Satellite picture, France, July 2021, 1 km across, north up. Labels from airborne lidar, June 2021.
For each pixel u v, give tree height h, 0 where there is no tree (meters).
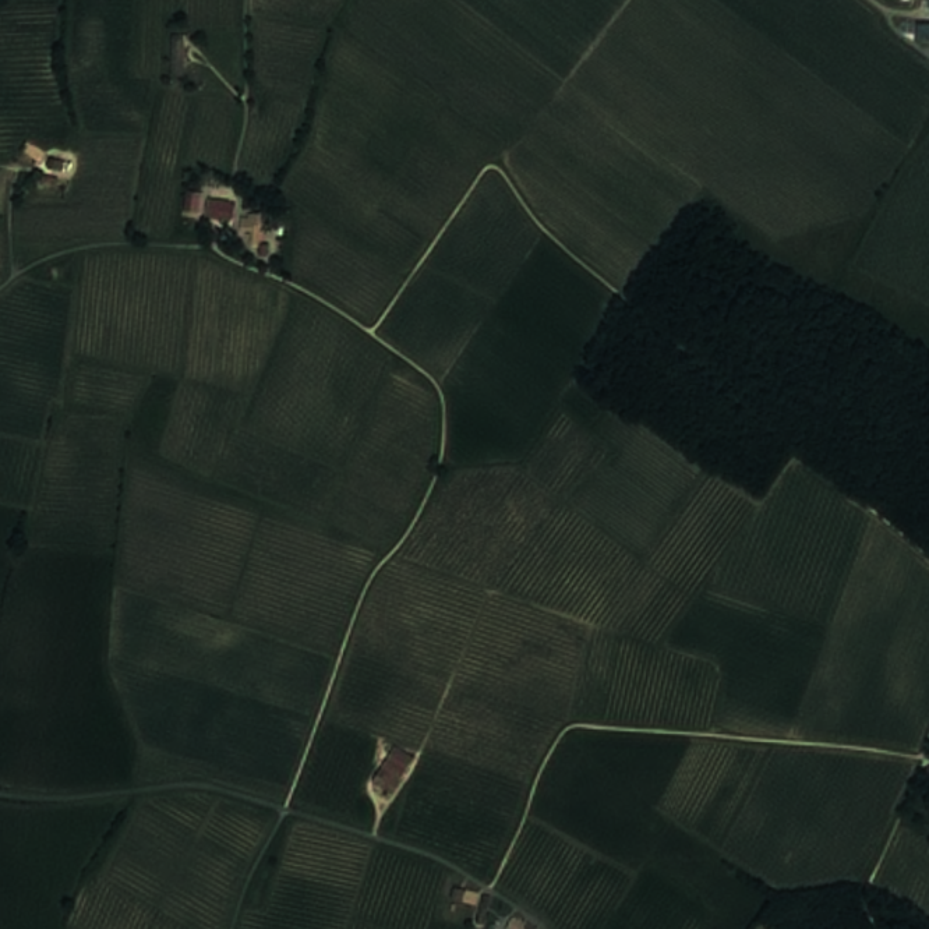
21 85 0
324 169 0
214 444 0
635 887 0
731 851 0
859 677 0
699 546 0
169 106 0
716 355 22
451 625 0
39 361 0
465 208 0
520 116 0
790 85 0
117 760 0
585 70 0
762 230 0
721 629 0
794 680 0
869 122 0
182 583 0
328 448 0
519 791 0
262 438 0
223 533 0
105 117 0
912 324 0
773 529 0
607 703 0
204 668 0
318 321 0
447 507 0
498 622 0
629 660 0
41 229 0
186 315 0
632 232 0
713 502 0
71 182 0
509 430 0
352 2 0
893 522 10
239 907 0
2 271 0
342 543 0
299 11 0
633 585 0
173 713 0
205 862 0
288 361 0
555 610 0
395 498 0
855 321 22
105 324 0
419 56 0
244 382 0
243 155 0
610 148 0
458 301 0
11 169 0
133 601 0
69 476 0
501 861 0
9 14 0
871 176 0
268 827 0
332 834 0
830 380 20
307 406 0
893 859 0
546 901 0
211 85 0
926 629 0
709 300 22
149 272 0
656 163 0
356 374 0
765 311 22
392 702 0
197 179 13
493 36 0
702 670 0
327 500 0
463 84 0
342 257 0
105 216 0
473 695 0
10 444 0
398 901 0
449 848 0
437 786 0
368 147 0
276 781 0
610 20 0
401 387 0
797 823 0
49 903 0
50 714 0
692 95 0
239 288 0
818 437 19
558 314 0
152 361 0
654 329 21
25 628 0
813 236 0
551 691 0
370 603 0
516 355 0
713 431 18
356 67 0
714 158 0
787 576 0
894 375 21
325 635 0
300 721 0
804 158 0
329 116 0
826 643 0
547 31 0
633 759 0
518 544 0
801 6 0
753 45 0
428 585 0
